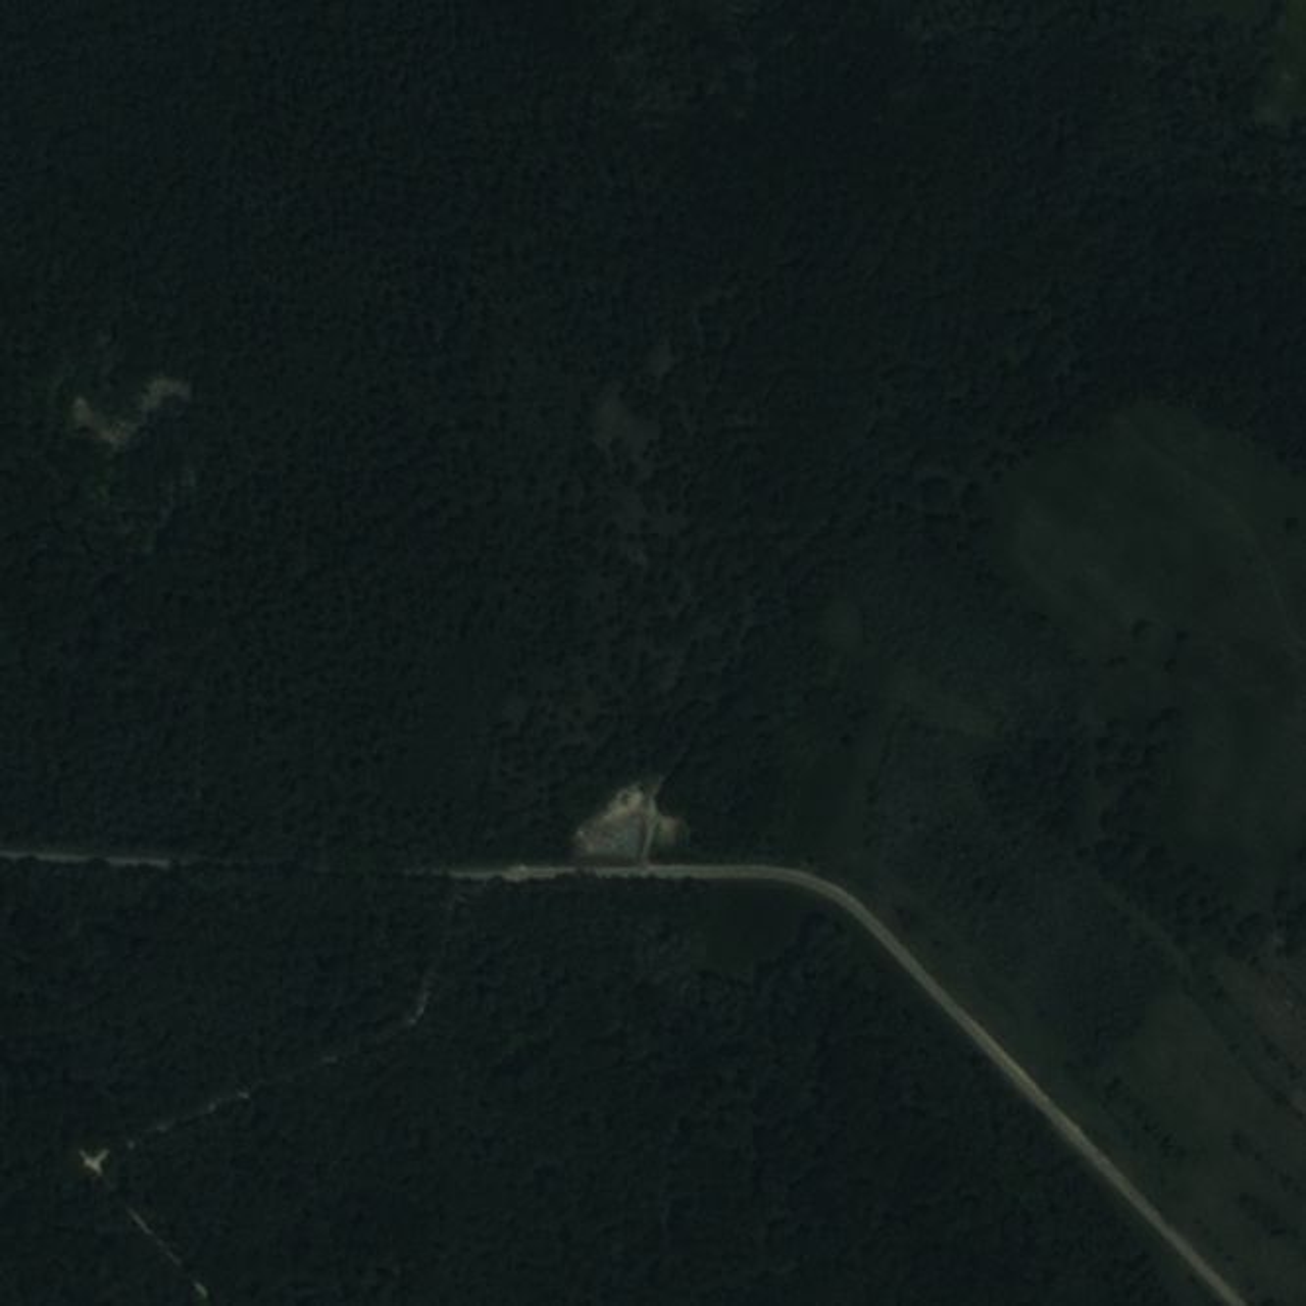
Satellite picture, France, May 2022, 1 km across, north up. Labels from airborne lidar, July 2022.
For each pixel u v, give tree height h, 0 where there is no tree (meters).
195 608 21
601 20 18
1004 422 15
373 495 16
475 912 14
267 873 15
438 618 12
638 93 22
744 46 20
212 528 17
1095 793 0
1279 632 0
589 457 12
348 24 12
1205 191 18
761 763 14
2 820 13
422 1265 23
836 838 0
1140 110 22
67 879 17
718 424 10
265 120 9
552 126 15
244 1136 16
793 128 23
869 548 6
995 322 14
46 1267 17
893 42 23
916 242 15
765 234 19
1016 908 7
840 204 16
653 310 14
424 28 14
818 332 18
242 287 10
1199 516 0
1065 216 17
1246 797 0
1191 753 0
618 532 9
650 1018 20
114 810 14
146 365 11
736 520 10
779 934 0
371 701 10
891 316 12
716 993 18
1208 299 18
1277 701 0
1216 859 0
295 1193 19
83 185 16
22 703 16
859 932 0
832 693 11
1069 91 18
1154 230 15
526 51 17
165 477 14
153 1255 15
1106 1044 13
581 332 16
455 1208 17
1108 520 0
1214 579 0
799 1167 20
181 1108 14
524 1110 20
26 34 15
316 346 11
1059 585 0
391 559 15
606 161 16
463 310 15
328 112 12
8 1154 18
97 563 23
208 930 16
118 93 16
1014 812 15
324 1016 17
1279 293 20
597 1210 24
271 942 14
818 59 21
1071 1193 15
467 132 15
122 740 12
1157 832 0
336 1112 16
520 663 9
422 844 12
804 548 10
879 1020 20
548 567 9
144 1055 19
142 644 25
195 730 10
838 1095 24
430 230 14
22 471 27
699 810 15
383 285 10
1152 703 0
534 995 12
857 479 13
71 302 5
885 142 21
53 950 26
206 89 12
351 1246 29
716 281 14
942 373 16
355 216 12
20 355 16
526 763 8
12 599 27
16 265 15
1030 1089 0
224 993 12
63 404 18
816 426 15
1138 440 0
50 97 16
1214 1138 0
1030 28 24
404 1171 22
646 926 23
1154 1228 0
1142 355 19
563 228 16
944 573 7
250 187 11
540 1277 18
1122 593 0
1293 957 9
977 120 21
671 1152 19
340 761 13
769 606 14
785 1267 21
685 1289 18
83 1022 16
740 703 18
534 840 12
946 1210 21
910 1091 21
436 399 16
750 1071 21
